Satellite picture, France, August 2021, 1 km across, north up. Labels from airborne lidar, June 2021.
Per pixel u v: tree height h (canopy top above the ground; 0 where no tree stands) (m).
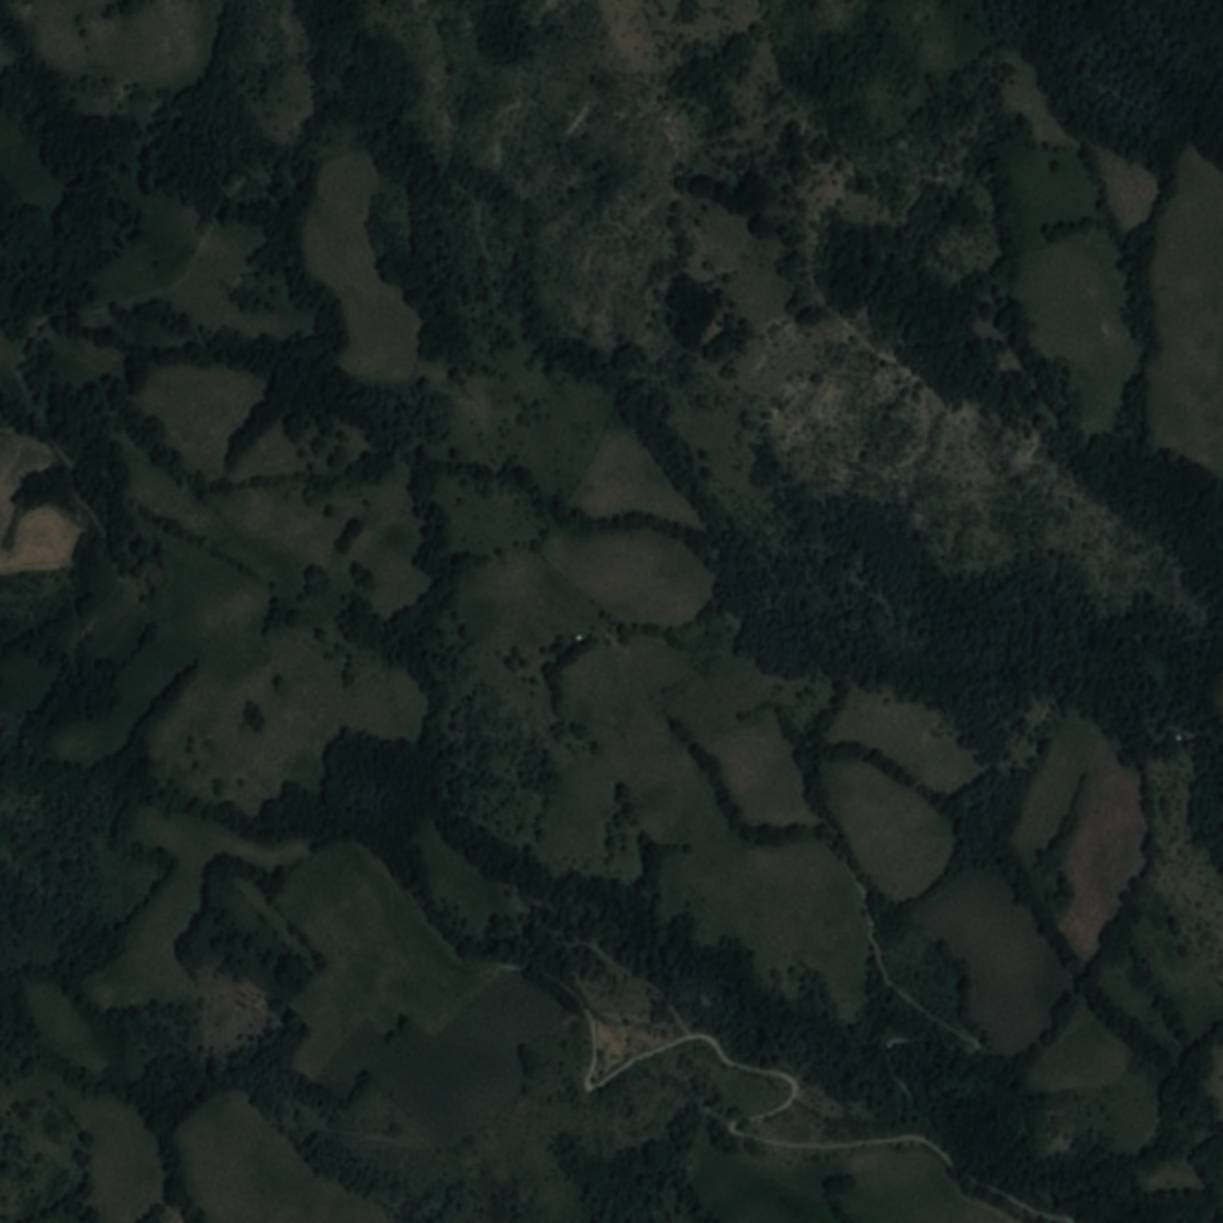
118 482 12
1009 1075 14
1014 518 9
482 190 8
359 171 0
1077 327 0
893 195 6
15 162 0
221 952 11
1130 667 15
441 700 9
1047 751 12
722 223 0
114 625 0
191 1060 8
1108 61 8
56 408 11
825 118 8
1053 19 18
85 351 0
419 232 12
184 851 0
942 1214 0
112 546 12
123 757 12
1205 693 14
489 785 7
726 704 0
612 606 0
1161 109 13
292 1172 0
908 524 10
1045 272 0
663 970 13
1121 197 0
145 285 0
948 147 10
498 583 0
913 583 12
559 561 0
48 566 0
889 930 13
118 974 0
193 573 0
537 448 0
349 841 13
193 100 13
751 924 0
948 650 12
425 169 12
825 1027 8
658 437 16
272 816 15
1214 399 0
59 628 20
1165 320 0
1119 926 9
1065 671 19
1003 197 15
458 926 7
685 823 0
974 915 0
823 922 0
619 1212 10
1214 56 11
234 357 14
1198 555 23
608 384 14
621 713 0
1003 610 12
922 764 0
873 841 0
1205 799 13
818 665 8
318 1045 0
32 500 14
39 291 19
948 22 0
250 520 0
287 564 0
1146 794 12
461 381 6
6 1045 7
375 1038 0
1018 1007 0
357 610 13
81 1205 11
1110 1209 24
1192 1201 11
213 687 0
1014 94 0
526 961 19
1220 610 14
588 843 0
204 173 21
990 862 6
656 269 8
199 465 0
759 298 0
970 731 9
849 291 19
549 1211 0
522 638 0
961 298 17
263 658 0
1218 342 0
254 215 21
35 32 0
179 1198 17
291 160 8
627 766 0
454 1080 0
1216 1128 7
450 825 11
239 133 8
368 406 13
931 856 0
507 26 12
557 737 6
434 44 0
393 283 13
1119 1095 0
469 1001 0
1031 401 19
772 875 0
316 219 0
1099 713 12
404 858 17
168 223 0
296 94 0
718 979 10
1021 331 13
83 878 11
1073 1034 0
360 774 19
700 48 7
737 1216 0
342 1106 7
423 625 9
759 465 7
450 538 10
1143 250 15
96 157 24
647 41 0
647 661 0
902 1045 7
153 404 0
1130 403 13
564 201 8
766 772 0
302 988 11
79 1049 0
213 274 0
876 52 9
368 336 0
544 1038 0
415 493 14
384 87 12
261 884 14
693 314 20
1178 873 0
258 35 6
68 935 8
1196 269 0
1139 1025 14
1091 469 19
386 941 0
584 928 12
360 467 7
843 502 8
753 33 8
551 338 7
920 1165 0
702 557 6
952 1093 17
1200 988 0
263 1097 12
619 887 15
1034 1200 14
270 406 11
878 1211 0
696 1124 13
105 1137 0
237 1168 0
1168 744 12
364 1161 7
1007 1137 22
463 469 9
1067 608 18
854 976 0
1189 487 21
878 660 13
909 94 7
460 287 8
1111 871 0
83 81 9
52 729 14
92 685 15
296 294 11
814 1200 0
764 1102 0
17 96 8
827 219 7
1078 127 21
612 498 0
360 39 12
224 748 0
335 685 0
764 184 18
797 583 9
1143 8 11
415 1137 0
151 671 0
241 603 0
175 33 0
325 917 0
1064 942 12
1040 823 0
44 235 23
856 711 0
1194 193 0
